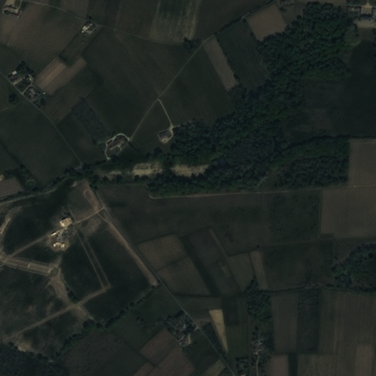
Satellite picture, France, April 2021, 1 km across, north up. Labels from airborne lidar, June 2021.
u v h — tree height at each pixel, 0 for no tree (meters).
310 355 0
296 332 0
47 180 0
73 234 0
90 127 17
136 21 0
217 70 0
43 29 0
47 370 15
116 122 0
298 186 9
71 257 0
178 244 0
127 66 0
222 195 0
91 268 0
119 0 0
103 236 0
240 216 0
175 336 12
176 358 0
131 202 0
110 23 0
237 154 24
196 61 0
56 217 0
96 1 0
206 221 0
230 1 0
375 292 15
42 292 0
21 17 0
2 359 15
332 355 0
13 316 0
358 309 0
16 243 0
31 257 0
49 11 0
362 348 0
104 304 0
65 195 0
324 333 0
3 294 0
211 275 0
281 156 26
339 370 0
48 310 0
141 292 0
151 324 0
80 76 0
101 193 0
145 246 0
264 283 0
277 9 0
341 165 12
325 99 0
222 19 0
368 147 0
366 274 11
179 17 0
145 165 0
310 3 9
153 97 0
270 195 0
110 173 0
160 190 17
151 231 0
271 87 25
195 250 0
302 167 6
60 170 0
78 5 0
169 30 0
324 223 0
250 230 0
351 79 0
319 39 18
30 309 0
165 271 0
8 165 0
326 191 0
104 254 0
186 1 0
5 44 0
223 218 0
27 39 0
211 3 0
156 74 0
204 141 23
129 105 0
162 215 0
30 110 0
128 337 0
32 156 0
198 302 0
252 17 0
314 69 22
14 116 0
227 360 14
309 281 0
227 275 0
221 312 0
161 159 23
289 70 19
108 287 0
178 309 0
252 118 9
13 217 0
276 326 0
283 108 23
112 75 0
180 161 15
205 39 0
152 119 0
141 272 0
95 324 13
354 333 0
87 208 0
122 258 0
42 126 0
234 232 0
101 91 0
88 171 21
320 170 13
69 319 0
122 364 0
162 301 0
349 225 0
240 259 0
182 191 23
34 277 0
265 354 8
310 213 0
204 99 0
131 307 11
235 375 0
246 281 0
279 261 0
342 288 9
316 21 15
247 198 0
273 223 0
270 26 0
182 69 0
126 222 0
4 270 0
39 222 0
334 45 18
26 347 0
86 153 0
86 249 0
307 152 17
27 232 0
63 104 0
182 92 0
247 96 18
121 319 11
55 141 0
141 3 0
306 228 0
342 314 0
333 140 12
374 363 0
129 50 0
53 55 0
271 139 13
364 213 0
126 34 0
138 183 16
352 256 13
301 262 0
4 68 0
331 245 0
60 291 0
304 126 0
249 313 14
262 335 10
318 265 0
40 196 0
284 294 0
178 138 19
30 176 10
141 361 0
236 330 0
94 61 0
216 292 0
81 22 0
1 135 0
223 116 0
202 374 0
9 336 0
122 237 0
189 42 15
